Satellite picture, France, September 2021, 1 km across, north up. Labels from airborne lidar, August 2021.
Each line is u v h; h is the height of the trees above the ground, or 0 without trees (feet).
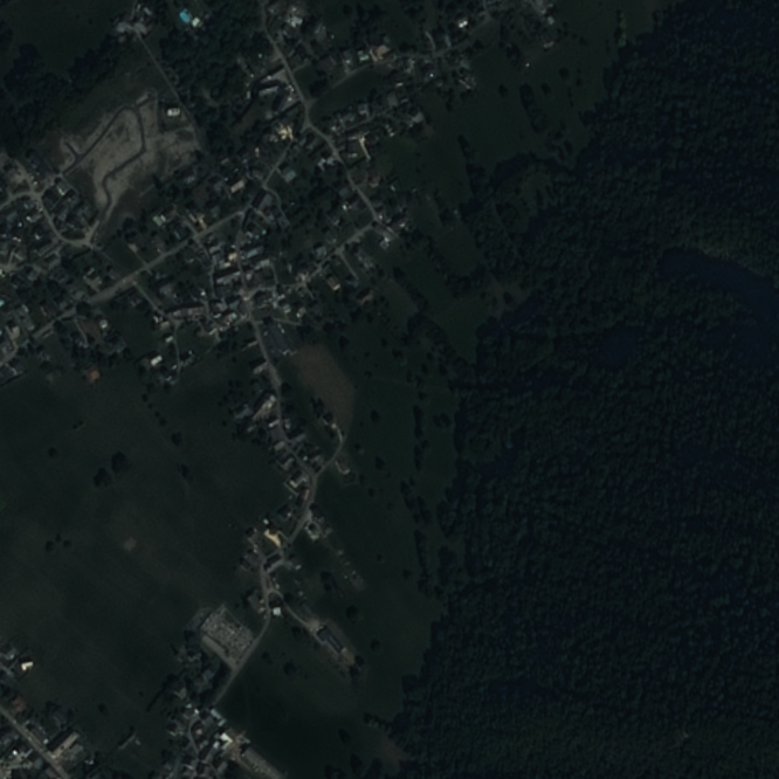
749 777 55
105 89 0
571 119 0
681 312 51
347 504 0
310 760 0
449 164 0
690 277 79
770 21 92
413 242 41
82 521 0
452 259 0
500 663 41
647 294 46
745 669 84
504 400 69
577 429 56
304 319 23
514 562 58
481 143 0
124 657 0
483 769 47
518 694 46
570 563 63
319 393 0
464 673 43
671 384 57
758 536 75
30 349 32
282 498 0
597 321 97
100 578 0
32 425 0
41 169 0
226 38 63
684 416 44
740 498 69
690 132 74
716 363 84
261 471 0
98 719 0
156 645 0
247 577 0
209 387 0
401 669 0
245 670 0
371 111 39
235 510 0
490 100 0
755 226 59
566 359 23
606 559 66
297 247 0
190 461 0
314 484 0
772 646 72
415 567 0
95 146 0
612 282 64
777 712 64
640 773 43
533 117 61
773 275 29
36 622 0
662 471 60
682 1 0
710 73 89
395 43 0
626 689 53
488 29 0
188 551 0
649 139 80
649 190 57
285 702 0
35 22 0
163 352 0
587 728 48
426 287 0
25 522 0
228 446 0
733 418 60
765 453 63
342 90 0
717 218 49
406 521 0
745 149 85
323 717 0
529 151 0
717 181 66
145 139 0
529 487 68
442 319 0
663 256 60
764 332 45
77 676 0
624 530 56
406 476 0
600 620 65
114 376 0
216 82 39
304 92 0
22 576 0
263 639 0
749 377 80
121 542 0
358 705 0
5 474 0
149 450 0
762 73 60
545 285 57
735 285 26
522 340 84
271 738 0
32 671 0
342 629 0
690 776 86
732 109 60
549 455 66
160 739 0
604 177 77
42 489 0
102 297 0
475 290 30
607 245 69
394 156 0
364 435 0
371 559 0
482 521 58
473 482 52
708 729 64
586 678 63
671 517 77
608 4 0
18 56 0
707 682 61
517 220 58
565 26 21
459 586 47
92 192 0
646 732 48
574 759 38
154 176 0
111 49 49
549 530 73
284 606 28
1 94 34
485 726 50
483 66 0
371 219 0
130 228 43
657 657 63
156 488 0
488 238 45
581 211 66
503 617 19
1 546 0
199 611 0
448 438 0
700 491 68
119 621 0
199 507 0
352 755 0
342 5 0
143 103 0
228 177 26
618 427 82
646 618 57
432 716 54
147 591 0
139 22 0
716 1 62
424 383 42
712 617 69
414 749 51
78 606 0
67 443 0
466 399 68
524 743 30
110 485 45
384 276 38
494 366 62
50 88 70
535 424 66
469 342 0
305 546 0
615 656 68
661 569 78
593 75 0
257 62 58
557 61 0
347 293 44
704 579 63
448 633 57
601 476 85
